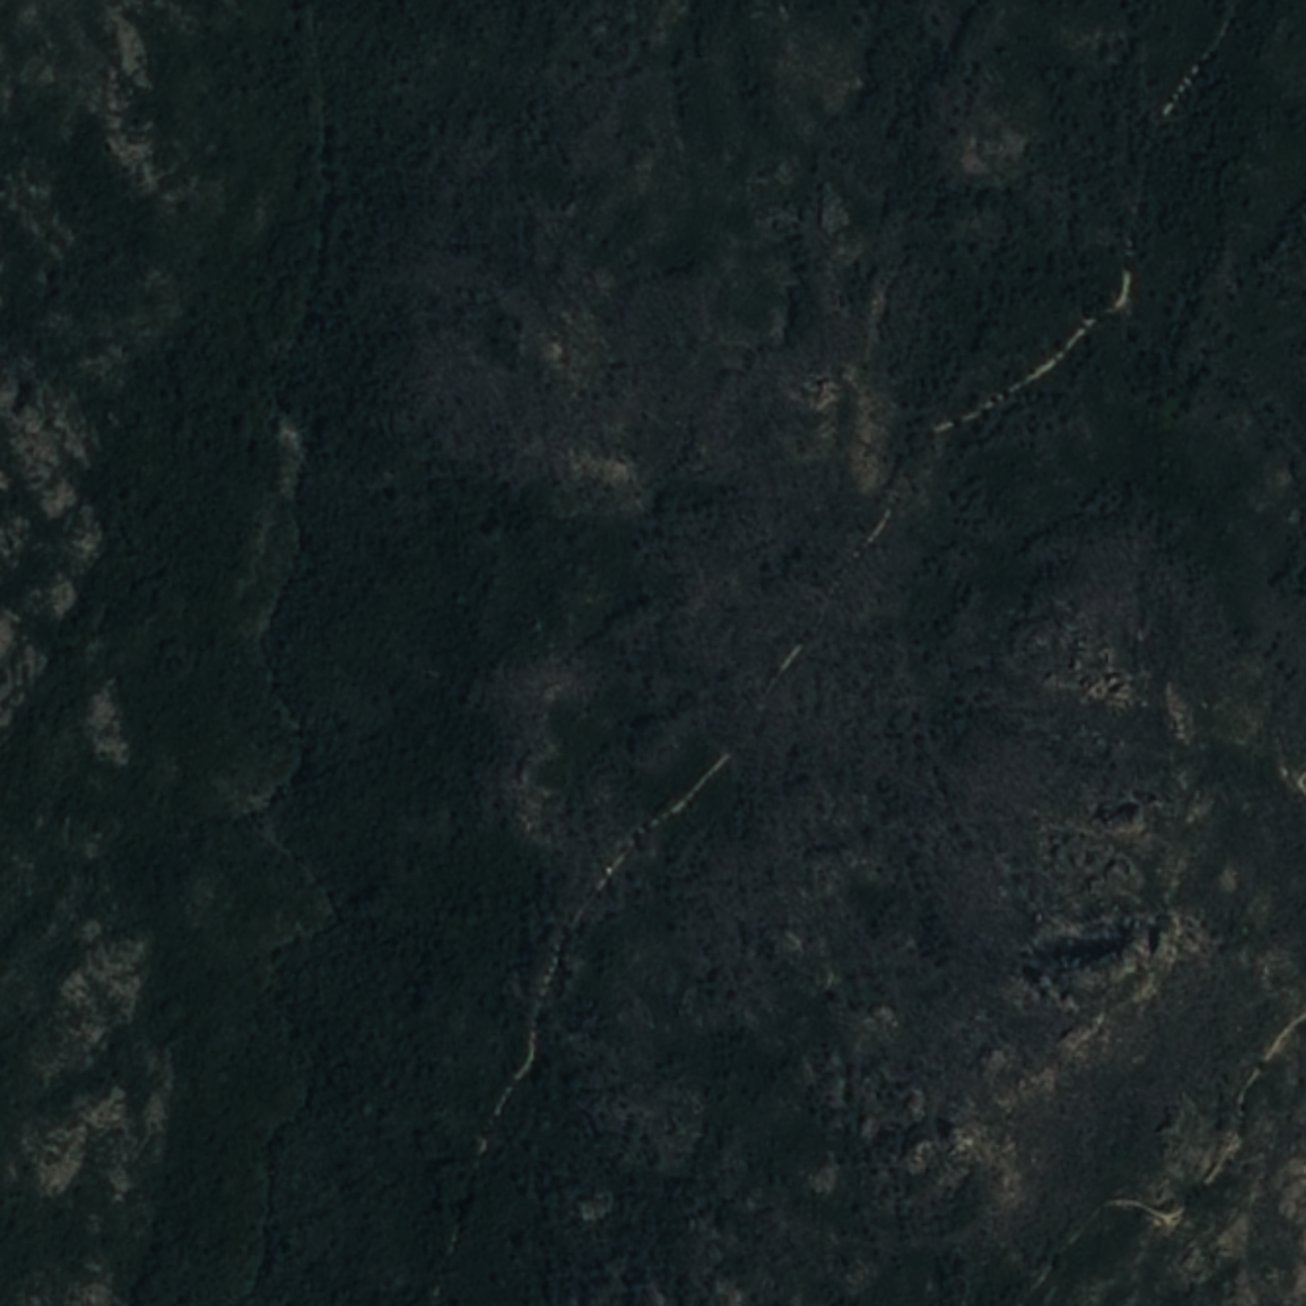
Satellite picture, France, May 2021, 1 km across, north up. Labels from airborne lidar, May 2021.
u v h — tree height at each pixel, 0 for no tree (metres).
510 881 8
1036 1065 12
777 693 18
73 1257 6
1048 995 8
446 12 8
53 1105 7
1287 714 12
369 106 7
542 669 13
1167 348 7
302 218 10
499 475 14
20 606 6
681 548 16
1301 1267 0
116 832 7
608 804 13
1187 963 17
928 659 10
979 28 18
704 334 18
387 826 6
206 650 20
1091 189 14
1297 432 19
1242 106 8
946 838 17
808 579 17
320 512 9
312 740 16
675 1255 13
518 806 10
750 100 11
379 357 22
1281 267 9
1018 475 6
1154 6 15
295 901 7
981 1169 8
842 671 15
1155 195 13
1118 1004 13
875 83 14
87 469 11
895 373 14
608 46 13
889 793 16
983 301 13
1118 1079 10
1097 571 12
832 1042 6
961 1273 7
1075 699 12
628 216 8
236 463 14
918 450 14
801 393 15
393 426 7
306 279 11
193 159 6
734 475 8
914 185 24
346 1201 6
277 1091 8
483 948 6
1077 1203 10
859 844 13
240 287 9
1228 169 12
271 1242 14
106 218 8
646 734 21
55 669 13
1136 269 14
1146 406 6
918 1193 14
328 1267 10
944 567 11
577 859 15
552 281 23
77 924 9
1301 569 15
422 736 8
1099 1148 12
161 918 8
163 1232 23
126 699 10
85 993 6
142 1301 23
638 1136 12
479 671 11
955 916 13
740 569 15
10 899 6
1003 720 15
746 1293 12
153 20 7
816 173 10
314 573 13
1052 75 13
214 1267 6
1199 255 6
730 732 18
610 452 13
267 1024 14
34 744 11
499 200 16
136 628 8
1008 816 16
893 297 16
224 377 17
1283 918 11
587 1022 14
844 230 7
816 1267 10
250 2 9
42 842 7
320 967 8
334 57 10
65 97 6
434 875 7
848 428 10
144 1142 6
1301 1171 0
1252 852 12
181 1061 9
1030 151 13
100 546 9
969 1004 12
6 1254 5
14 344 5
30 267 6
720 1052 8
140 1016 6
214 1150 9
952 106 14
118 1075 16
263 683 9
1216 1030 10
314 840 7
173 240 6
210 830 9
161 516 8
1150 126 14
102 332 6
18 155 6
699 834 12
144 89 8
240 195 7
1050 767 14
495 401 11
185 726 10
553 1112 6
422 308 9
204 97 8
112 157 7
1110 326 13
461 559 9
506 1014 6
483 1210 6
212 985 8
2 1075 11
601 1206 7
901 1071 9
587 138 16
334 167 24
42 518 7
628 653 16
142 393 10
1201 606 11
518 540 8
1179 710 11
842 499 12
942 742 15
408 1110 6
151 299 9
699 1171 12
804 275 18
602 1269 11
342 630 10
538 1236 8
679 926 10
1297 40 10
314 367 11
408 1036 7
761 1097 8
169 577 22
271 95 9
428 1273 6
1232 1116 10
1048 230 19
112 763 5
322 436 24
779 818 10
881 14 20
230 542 9
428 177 19
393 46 14
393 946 14
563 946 8
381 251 21
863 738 13
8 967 6
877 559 14
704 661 12
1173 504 6
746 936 10
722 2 17
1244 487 8
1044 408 16
